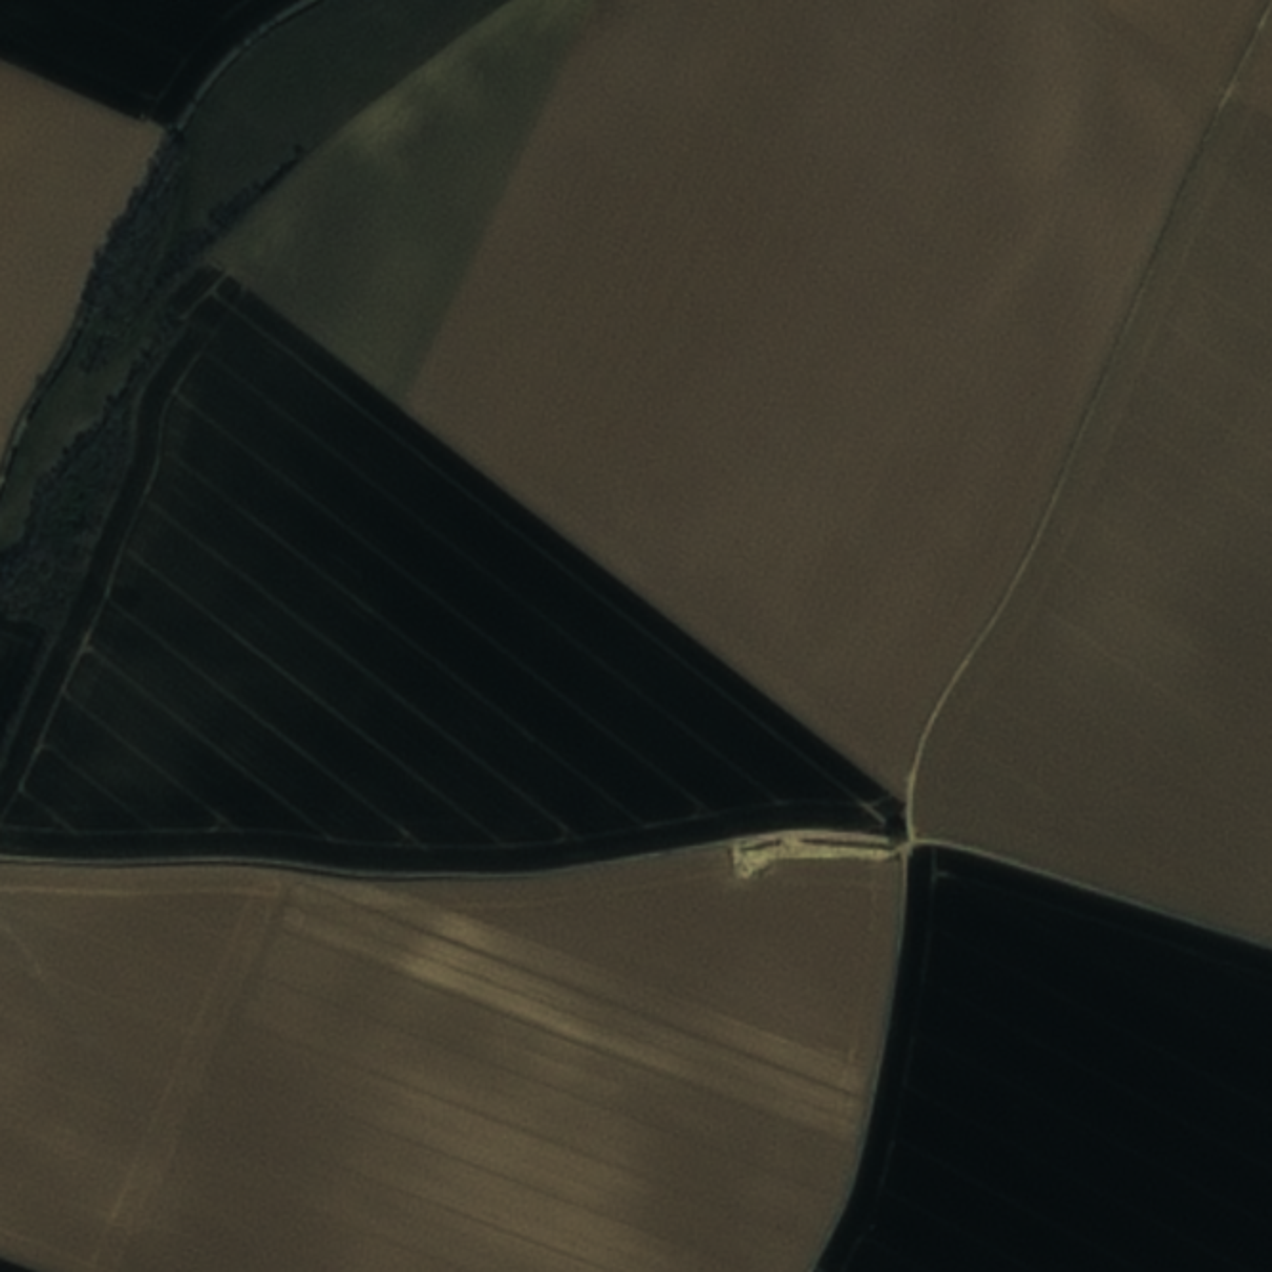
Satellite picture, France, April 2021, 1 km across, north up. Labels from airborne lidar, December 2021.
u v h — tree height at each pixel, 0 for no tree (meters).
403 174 0
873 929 0
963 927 0
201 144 0
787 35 0
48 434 0
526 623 0
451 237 0
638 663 0
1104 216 0
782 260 0
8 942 0
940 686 0
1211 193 0
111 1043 0
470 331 0
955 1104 0
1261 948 0
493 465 0
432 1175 0
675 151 0
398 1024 0
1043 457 0
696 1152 0
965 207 0
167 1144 0
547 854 0
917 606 0
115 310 19
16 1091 0
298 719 0
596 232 0
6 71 0
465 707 0
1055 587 0
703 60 0
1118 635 0
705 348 0
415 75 0
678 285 0
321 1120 0
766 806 0
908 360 0
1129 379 0
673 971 0
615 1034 0
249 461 0
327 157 0
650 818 0
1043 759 0
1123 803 0
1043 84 0
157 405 0
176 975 0
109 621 0
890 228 0
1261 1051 0
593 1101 0
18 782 0
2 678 0
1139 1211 0
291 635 0
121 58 0
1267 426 0
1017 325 0
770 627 0
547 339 0
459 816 0
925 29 0
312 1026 0
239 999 0
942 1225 0
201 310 0
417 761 0
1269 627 0
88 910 0
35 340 0
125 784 0
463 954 0
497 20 0
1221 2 0
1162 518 0
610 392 0
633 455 0
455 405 0
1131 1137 0
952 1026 0
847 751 0
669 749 0
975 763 0
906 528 0
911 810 0
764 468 0
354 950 0
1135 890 0
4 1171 0
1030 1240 0
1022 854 0
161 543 0
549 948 0
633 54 0
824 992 0
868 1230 0
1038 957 0
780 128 0
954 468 0
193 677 0
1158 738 0
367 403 0
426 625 0
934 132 0
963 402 0
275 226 0
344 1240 0
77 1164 0
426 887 0
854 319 0
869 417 0
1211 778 0
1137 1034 0
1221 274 0
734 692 0
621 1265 0
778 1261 0
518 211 0
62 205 0
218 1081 0
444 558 0
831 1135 0
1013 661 0
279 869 0
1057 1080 0
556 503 0
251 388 0
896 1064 0
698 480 0
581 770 0
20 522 0
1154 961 0
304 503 0
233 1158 0
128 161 0
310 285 0
